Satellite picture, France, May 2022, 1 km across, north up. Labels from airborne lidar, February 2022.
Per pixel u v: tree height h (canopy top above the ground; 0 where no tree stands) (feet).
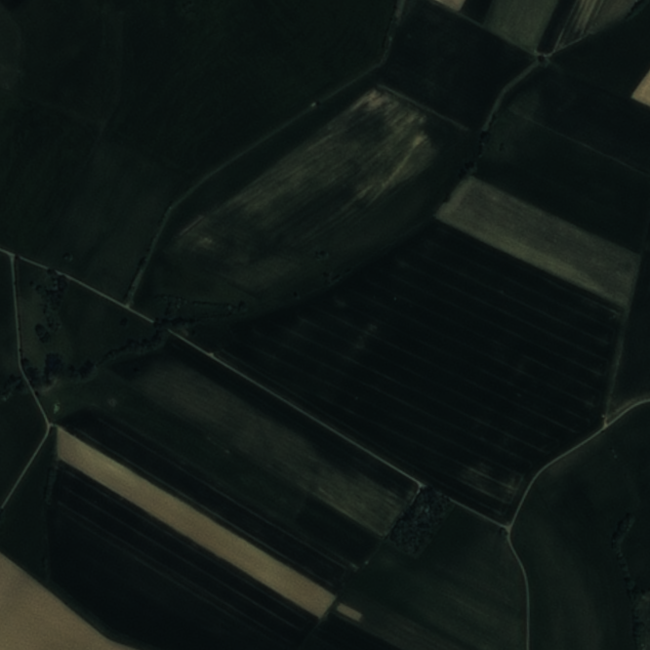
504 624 0
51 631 0
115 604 0
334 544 0
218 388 0
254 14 0
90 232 0
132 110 0
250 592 0
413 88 0
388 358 0
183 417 0
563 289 0
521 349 0
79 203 0
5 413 0
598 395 0
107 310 0
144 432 0
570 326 0
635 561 0
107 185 0
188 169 0
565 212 0
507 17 0
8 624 0
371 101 0
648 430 0
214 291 0
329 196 0
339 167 0
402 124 0
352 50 0
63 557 0
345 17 0
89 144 0
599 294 0
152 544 0
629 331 0
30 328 0
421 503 18
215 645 0
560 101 0
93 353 0
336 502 0
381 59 0
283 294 0
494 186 0
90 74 0
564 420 0
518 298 0
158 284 0
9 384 26
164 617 0
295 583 0
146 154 0
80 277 0
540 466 0
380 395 0
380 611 0
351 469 0
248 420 0
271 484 0
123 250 0
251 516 0
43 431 0
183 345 0
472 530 0
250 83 0
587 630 0
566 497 0
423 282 0
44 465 0
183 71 0
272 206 0
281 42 0
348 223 0
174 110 0
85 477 0
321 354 0
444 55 0
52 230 0
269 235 0
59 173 0
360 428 0
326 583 0
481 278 0
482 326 0
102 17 0
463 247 0
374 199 0
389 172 0
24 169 0
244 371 0
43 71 0
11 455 0
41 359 0
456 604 0
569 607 0
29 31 0
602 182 0
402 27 0
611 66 0
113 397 0
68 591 0
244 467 0
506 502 0
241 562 0
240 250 0
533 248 0
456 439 0
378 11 0
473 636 0
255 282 0
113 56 0
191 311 0
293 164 0
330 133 0
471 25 0
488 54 0
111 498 0
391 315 0
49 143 0
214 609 0
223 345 0
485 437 0
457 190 0
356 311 0
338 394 0
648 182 0
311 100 0
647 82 0
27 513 0
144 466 0
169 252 0
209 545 0
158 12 0
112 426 0
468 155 0
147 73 0
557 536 0
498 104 0
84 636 0
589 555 0
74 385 0
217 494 0
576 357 0
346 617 0
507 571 0
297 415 0
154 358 0
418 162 0
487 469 0
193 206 0
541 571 0
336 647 0
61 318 0
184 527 0
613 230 0
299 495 0
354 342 0
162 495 0
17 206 0
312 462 0
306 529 0
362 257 0
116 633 0
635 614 22
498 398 0
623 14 0
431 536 29
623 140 0
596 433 0
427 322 0
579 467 0
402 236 0
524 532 0
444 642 0
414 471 0
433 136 0
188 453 0
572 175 0
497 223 0
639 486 0
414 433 0
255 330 0
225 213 0
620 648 0
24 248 0
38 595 0
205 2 0
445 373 0
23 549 0
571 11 0
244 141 0
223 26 0
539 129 0
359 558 0
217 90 0
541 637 0
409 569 0
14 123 0
